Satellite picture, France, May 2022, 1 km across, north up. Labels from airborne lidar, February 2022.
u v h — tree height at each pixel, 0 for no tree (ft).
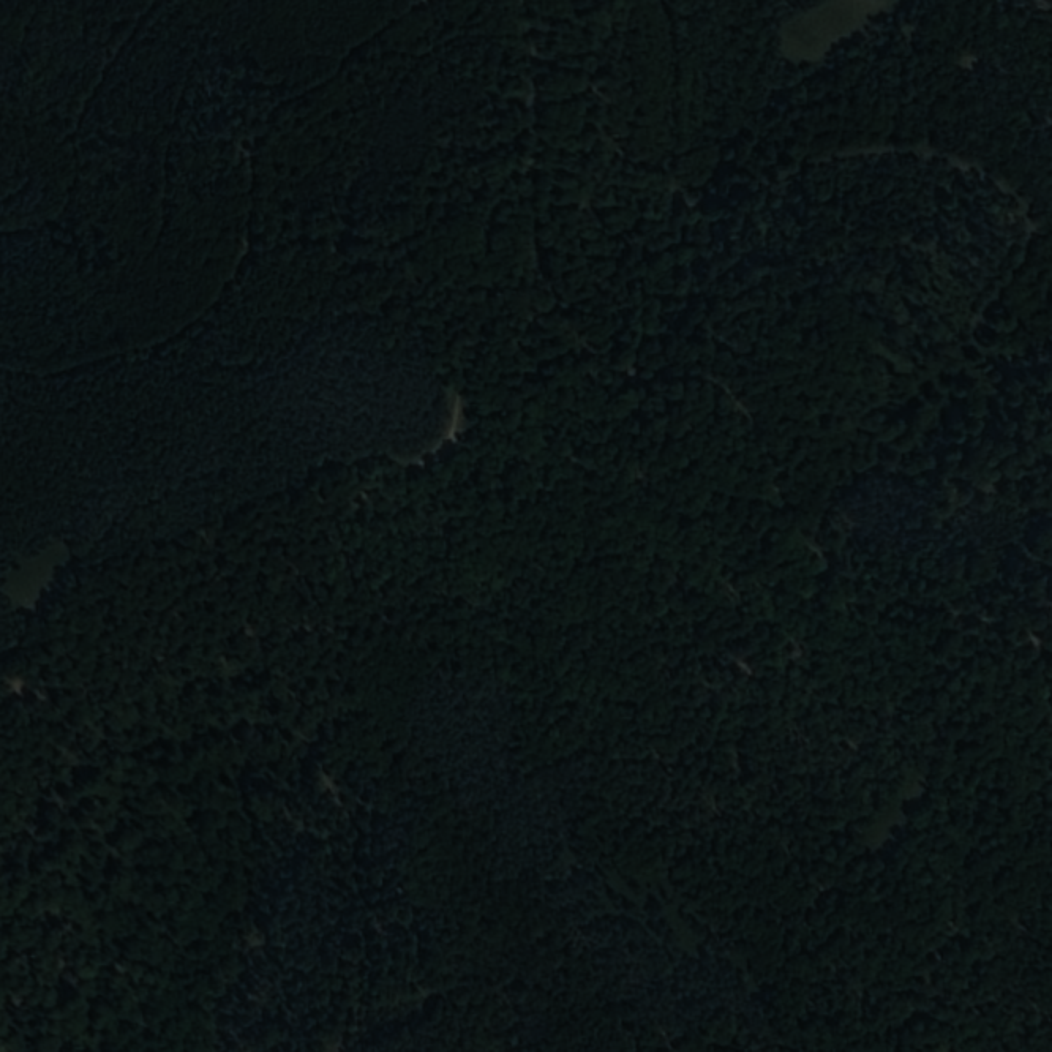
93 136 44
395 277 57
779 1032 95
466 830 54
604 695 85
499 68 43
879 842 0
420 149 38
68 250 101
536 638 87
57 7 47
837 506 103
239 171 37
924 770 53
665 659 72
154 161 105
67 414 74
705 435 83
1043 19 29
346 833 95
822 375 91
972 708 80
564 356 91
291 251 56
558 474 73
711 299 111
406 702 80
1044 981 79
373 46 48
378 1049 85
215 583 98
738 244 127
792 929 91
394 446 75
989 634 81
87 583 86
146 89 38
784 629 64
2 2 48
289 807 104
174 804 111
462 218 93
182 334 61
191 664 107
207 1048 115
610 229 100
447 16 25
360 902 41
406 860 93
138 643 105
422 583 91
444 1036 78
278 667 98
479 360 88
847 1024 85
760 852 73
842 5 0
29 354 48
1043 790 113
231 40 43
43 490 59
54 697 110
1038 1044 85
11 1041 115
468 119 36
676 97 73
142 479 87
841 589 77
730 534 75
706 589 76
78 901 132
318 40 45
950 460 121
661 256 117
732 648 107
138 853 89
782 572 79
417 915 77
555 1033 92
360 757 73
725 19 64
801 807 86
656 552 80
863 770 77
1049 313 59
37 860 101
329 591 93
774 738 82
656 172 107
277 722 112
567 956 67
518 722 74
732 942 84
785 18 90
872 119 56
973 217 109
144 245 68
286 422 74
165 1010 90
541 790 84
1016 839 100
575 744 54
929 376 18
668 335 96
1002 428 108
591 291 80
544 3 50
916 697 85
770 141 66
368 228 85
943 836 75
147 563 100
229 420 71
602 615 82
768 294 94
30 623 72
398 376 90
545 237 92
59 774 22
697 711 84
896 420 125
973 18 52
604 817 85
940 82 43
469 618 76
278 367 79
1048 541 96
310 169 39
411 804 97
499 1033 85
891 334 100
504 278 102
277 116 49
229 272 50
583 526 85
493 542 91
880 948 78
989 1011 88
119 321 62
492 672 85
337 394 88
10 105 90
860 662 82
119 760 127
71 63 38
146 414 68
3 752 101
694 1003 77
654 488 57
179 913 100
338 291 49
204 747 108
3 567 47
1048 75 42
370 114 52
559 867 87
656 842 76
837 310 98
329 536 90
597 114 94
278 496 81
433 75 40
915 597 89
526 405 89
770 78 71
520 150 74
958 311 34
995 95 41
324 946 96
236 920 114
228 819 108
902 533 99
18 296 73
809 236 51
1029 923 73
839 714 77
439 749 77
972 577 92
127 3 42
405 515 82
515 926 55
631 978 69
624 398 99
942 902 86
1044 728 79
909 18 50
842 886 90
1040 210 28
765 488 91
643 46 73
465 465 57
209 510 64
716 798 85
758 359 63
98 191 69
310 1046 107
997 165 43
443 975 80
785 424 84
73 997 132
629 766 68
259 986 103
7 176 65
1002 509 31
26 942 112
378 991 81
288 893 106
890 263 38
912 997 95
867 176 30
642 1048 76
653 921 41
